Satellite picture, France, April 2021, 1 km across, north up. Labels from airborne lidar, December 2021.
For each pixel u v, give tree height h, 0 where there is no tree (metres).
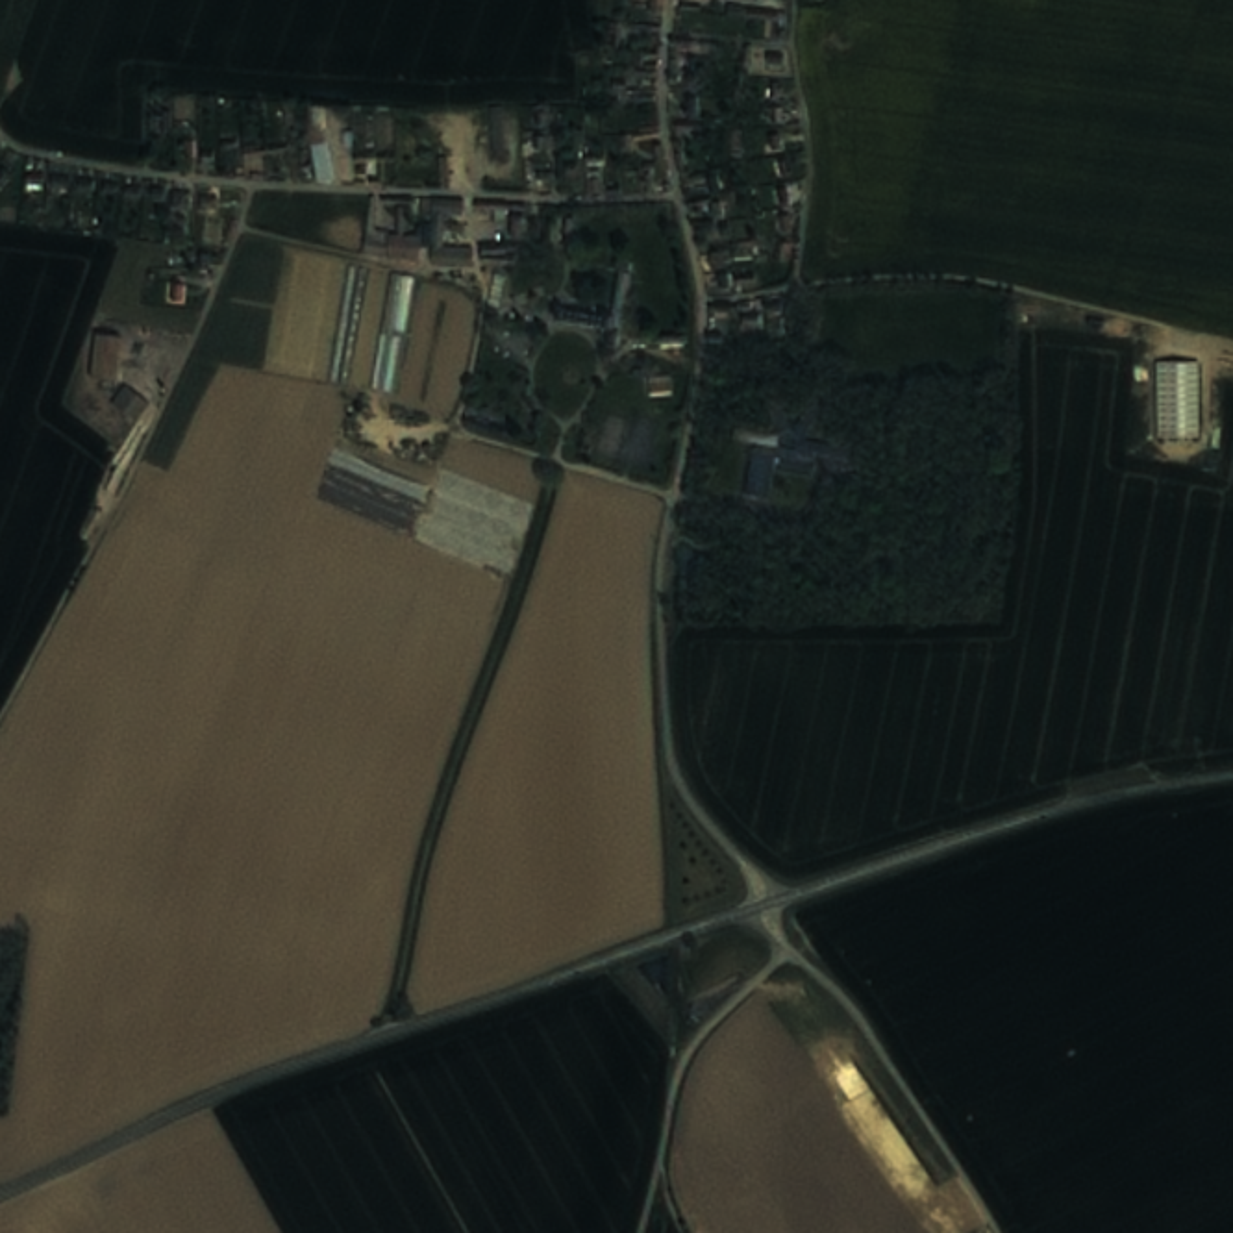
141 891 0
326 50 0
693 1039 0
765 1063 0
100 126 0
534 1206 0
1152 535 0
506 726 0
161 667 0
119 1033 0
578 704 0
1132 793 0
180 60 0
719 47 13
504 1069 0
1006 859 0
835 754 0
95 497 0
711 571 14
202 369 0
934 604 21
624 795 0
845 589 25
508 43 0
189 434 0
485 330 15
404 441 0
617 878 0
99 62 0
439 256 0
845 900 0
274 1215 0
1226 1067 0
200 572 0
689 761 0
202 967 0
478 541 0
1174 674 0
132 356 0
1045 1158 0
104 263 0
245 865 0
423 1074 0
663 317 0
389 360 0
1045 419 0
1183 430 0
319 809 0
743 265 0
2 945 16
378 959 0
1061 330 0
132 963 0
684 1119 0
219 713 0
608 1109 0
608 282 8
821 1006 0
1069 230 0
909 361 0
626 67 7
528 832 0
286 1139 0
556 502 0
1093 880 0
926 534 19
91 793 0
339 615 0
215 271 0
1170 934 0
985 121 0
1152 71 0
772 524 21
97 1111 0
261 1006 0
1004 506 21
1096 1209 0
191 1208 0
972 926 0
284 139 0
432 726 0
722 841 0
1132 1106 0
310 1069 0
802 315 15
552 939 0
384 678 0
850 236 0
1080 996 0
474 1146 0
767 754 0
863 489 16
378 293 0
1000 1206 0
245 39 0
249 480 0
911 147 0
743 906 0
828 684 0
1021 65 0
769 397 16
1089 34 0
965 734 0
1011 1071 0
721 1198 0
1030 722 0
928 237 0
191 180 0
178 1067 0
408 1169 0
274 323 0
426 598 0
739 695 0
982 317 0
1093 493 0
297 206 0
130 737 0
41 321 0
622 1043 0
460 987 0
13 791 0
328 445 0
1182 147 0
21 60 0
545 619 0
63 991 0
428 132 10
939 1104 0
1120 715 0
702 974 0
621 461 0
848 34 0
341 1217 0
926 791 0
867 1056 0
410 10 0
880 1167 0
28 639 0
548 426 0
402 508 0
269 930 0
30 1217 0
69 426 0
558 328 0
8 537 0
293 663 0
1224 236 0
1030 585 0
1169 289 0
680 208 0
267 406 0
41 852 0
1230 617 0
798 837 0
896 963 0
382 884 0
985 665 0
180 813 0
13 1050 13
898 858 0
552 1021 0
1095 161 0
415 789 0
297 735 0
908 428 27
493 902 0
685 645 0
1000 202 0
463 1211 0
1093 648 0
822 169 0
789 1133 0
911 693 0
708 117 8
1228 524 0
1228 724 0
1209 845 0
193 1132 0
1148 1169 0
